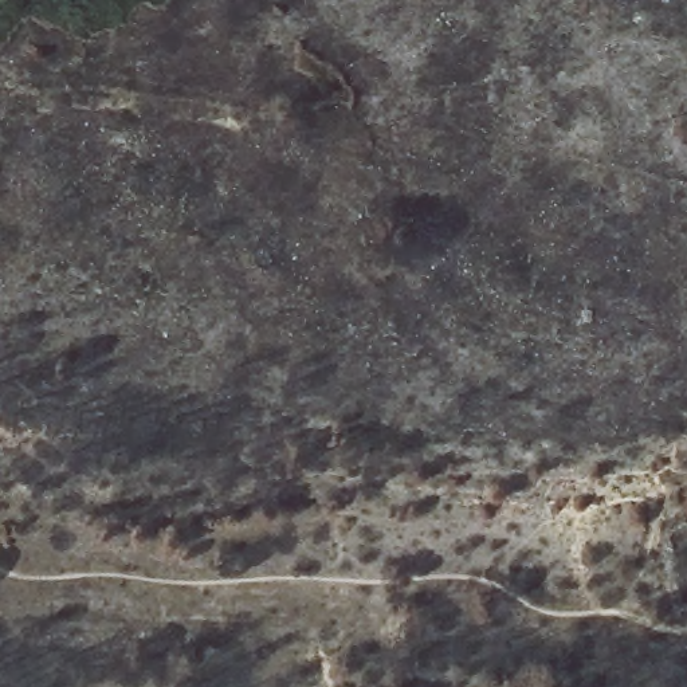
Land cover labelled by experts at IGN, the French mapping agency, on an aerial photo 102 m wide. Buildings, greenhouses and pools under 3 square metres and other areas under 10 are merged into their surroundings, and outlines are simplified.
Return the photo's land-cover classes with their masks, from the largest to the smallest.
<instances>
[{"label":"bare soil","instance_id":"1","mask_svg":"<svg viewBox=\"0 0 687 687\"><path fill-rule=\"evenodd\" d=\"M389 207H413L419 212L421 225L416 244L411 250H386L378 244L376 217ZM11 569L43 574L115 569L148 577L191 580L242 577L250 574V569H255L258 574H373L384 577L386 585L250 582L236 588H185L142 585L129 580L21 582L8 577ZM437 569L488 577L496 580L499 588L494 590L470 580H443L421 585V590L416 593H408V582L413 574H429ZM526 596L534 604L553 609H588L598 601L601 606H617L623 598H639V604L657 620L668 625H687V0H169L166 8L158 11L140 8L134 13H126L123 24L115 32L99 35L94 38V43H75L62 30H46L35 21H24L16 24L11 30V38L0 46V687H335L341 682L362 684L360 668L370 655H376L384 647L381 641L405 636L403 625L408 609H416L424 620H432L437 628V639L408 649V655L400 660V668L394 671L397 687H510L507 682L523 666H545L550 671L553 687H687V636L657 633L623 617H542L523 609L518 598Z\"/></svg>","mask_w":687,"mask_h":687},{"label":"pervious surface","instance_id":"2","mask_svg":"<svg viewBox=\"0 0 687 687\"><path fill-rule=\"evenodd\" d=\"M8 577L21 582L129 580L142 585L185 588H236L250 582L386 585L384 577L373 574H258L255 569H250V574L242 577L191 580L148 577L115 569L43 574L11 569ZM443 580H470L494 590L499 588L496 580L488 577L437 569L429 574H413L408 582V593H416L421 590V585ZM523 609L542 617H623L657 633L687 636V625H668L657 620L639 604V598H623L617 606H601L598 601L588 609H553L534 604L526 596L518 598Z\"/></svg>","mask_w":687,"mask_h":687},{"label":"herbaceous vegetation","instance_id":"3","mask_svg":"<svg viewBox=\"0 0 687 687\"><path fill-rule=\"evenodd\" d=\"M169 0H0V46L11 38V30L16 24L24 21H35L46 30H62L75 43H94V38L99 35L115 32L123 24L126 13H134L140 8L158 11L166 8ZM421 225L419 212L413 207H389L376 217L378 244L386 250H411L416 244Z\"/></svg>","mask_w":687,"mask_h":687},{"label":"coniferous trees","instance_id":"4","mask_svg":"<svg viewBox=\"0 0 687 687\"><path fill-rule=\"evenodd\" d=\"M405 636L381 641L384 647L376 655H370L360 668L362 684L341 682L335 687H397L394 671L400 668V660L408 655V649L437 639V628L432 620H424L416 609H408L403 625ZM510 687H553L550 671L545 666H523L507 682Z\"/></svg>","mask_w":687,"mask_h":687}]
</instances>
